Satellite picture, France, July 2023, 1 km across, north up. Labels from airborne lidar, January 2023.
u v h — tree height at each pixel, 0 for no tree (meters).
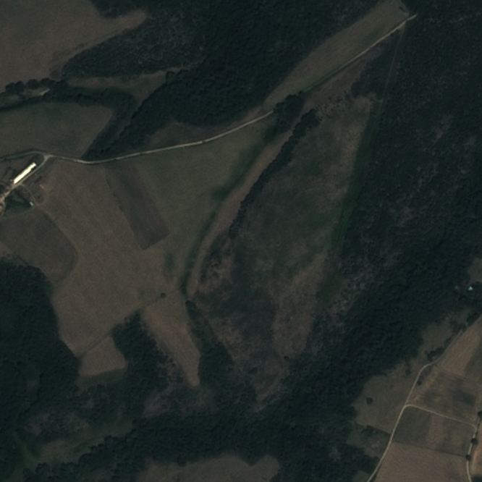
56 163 0
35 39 0
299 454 15
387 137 9
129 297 0
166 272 0
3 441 16
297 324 9
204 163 0
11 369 24
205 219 0
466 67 9
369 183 9
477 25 12
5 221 0
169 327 0
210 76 19
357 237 7
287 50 8
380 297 10
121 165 0
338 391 7
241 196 0
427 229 8
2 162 0
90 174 0
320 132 8
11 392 18
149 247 0
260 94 13
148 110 16
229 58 18
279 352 11
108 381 0
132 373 9
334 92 0
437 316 10
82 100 19
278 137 0
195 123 9
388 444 0
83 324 0
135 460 14
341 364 20
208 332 0
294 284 10
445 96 11
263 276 11
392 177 13
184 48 11
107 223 0
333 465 11
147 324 0
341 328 9
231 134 0
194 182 0
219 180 0
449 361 0
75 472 22
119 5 0
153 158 0
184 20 9
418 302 16
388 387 0
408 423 0
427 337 0
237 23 22
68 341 0
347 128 9
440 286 8
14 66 0
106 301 0
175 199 0
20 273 9
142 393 13
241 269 0
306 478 14
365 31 0
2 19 0
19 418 7
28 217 0
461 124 17
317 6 8
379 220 11
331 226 10
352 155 13
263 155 0
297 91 0
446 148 15
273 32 13
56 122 0
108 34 0
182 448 16
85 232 0
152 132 9
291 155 10
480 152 15
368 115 10
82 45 0
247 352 0
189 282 0
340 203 10
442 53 9
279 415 24
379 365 9
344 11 7
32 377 0
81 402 11
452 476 0
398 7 0
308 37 10
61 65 0
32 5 0
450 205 18
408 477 0
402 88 10
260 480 0
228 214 0
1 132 0
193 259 0
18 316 9
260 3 18
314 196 12
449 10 11
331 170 10
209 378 12
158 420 11
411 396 0
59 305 0
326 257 7
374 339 16
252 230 9
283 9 17
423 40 10
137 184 0
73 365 15
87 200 0
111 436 0
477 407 0
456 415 0
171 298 0
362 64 0
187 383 0
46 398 16
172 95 18
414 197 9
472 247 12
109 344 0
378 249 16
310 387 21
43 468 18
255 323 0
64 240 0
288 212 9
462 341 0
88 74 10
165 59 9
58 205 0
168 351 0
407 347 7
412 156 11
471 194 10
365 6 6
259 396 9
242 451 6
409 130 8
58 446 0
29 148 0
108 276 0
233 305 0
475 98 11
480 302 10
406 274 9
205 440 15
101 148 11
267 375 0
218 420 20
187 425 16
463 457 0
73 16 0
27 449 0
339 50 0
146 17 0
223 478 0
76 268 0
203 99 21
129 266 0
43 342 11
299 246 6
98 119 0
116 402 10
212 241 0
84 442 0
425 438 0
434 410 0
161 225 0
